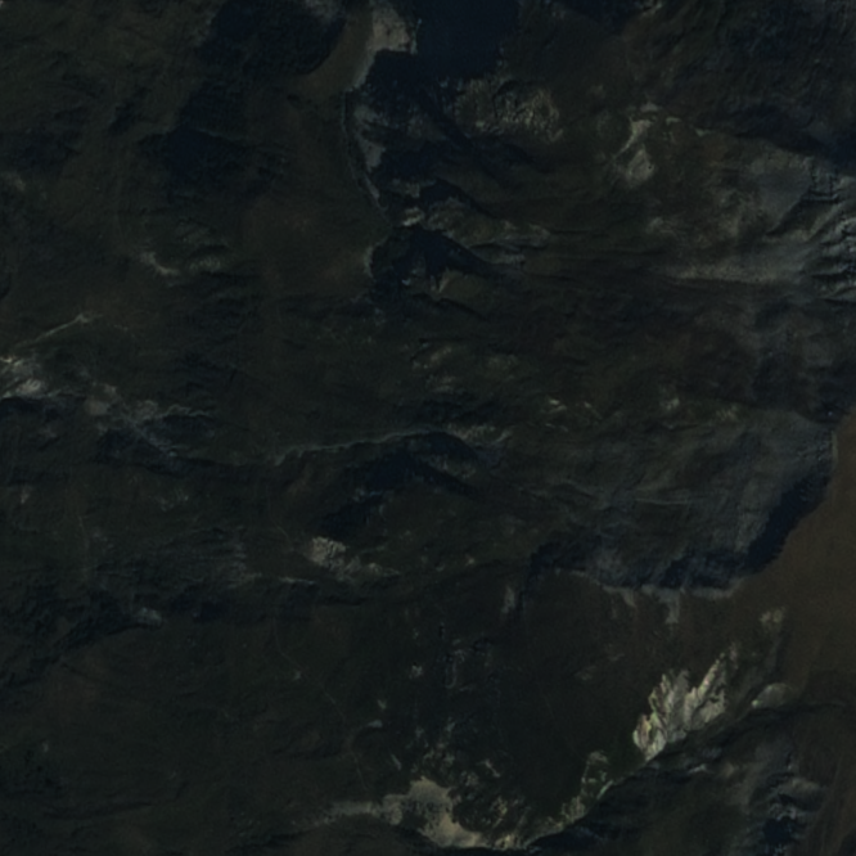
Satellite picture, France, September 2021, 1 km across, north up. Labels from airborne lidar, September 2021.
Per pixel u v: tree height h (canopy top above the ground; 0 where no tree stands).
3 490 0
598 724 0
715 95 0
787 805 0
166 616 0
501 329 0
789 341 0
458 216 0
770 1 0
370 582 0
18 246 0
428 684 0
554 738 0
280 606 0
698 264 0
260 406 0
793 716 0
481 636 0
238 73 0
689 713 0
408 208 0
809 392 0
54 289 0
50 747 0
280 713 0
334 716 0
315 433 0
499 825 0
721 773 0
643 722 0
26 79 0
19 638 0
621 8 0
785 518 0
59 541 0
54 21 0
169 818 0
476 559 0
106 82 0
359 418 0
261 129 0
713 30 0
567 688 0
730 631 0
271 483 0
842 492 0
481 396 0
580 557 0
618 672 0
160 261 0
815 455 0
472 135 0
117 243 0
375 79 0
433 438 0
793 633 0
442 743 0
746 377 0
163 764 0
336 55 0
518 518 0
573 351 0
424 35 0
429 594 0
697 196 0
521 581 0
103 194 0
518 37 0
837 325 0
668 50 0
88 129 0
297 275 0
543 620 0
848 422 0
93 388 0
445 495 0
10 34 0
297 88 0
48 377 0
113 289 0
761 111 0
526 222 0
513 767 0
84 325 0
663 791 0
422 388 0
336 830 0
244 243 0
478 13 0
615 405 0
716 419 0
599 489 0
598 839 0
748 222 0
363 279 0
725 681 0
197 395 0
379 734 0
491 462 0
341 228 0
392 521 0
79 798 0
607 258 0
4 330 0
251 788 0
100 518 0
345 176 0
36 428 0
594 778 0
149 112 0
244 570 0
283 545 0
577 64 0
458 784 0
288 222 0
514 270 0
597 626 0
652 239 0
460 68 9
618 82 0
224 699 0
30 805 0
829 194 0
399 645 0
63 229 0
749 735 0
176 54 0
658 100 0
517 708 0
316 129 0
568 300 0
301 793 0
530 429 0
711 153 0
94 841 0
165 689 0
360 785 0
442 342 0
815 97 0
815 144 0
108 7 0
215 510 0
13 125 0
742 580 0
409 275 0
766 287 0
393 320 0
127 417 0
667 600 0
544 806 0
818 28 0
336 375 0
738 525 0
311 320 0
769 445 0
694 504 0
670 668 0
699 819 0
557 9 0
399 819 0
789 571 0
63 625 0
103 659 0
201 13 0
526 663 0
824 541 0
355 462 0
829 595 0
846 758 0
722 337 0
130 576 0
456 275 0
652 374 0
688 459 0
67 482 0
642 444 0
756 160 0
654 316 0
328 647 0
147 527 0
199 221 0
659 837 0
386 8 0
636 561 0
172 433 0
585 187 0
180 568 0
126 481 0
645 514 0
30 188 0
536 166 0
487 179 0
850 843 0
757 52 0
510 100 0
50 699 0
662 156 0
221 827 0
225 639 0
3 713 0
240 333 0
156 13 0
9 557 0
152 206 0
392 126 0
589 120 0
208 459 0
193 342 0
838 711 0
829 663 0
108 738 0
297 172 0
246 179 0
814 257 0
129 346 0
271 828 0
